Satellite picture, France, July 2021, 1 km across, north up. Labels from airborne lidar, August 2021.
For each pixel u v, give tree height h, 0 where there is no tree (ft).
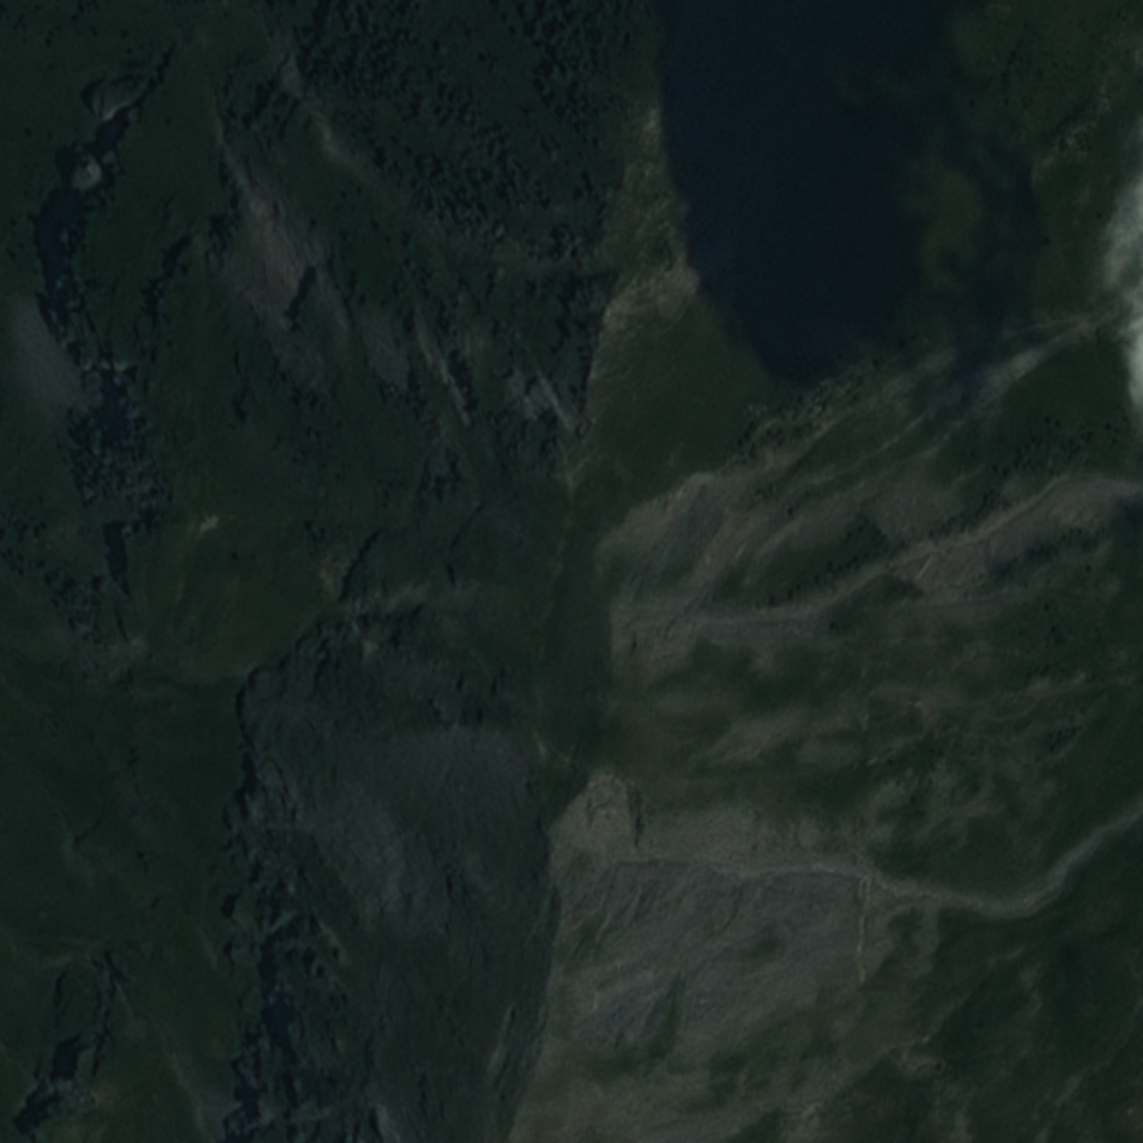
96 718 0
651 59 0
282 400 0
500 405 0
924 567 0
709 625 0
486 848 0
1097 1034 0
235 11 0
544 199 22
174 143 0
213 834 0
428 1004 0
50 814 0
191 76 0
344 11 26
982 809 0
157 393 0
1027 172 0
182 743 0
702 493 0
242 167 0
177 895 0
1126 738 0
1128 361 0
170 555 0
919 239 0
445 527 0
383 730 0
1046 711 0
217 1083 0
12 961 0
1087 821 0
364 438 0
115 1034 0
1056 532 0
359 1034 0
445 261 0
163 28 0
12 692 0
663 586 0
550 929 0
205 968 0
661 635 0
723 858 0
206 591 0
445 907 0
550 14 37
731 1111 0
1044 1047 0
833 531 0
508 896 0
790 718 0
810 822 0
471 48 0
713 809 0
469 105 24
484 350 0
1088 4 0
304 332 0
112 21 0
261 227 0
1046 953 0
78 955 0
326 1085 0
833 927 0
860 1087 0
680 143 0
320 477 0
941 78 0
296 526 0
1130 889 0
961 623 0
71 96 0
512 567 0
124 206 0
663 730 0
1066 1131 0
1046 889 0
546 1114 0
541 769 0
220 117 0
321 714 0
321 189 0
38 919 0
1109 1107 0
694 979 0
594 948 0
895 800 0
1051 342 0
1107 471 0
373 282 0
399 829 0
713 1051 0
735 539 0
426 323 0
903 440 0
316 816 0
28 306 0
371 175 0
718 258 0
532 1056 0
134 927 0
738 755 0
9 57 0
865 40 0
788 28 0
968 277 0
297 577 0
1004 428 0
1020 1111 0
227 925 0
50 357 0
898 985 0
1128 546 0
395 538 0
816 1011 0
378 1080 0
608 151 0
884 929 0
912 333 0
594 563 0
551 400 0
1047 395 0
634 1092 0
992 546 0
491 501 0
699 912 0
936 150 0
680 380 0
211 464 0
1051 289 0
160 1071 0
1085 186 0
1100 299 0
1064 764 0
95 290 25
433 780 0
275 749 0
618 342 0
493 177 45
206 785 0
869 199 0
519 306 0
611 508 0
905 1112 0
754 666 0
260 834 0
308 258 0
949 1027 0
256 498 0
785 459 0
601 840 0
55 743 0
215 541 0
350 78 32
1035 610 0
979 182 0
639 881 0
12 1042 0
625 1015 0
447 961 0
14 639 0
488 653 0
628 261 0
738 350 0
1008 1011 0
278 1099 0
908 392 0
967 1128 0
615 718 0
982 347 0
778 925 0
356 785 0
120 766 0
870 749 0
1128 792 0
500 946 0
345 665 0
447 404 0
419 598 0
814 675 0
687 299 0
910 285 0
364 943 0
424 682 0
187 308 0
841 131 0
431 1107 0
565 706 0
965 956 0
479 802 0
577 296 28
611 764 0
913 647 0
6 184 0
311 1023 0
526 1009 0
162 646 0
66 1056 19
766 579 0
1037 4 0
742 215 27
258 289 0
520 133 0
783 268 0
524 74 0
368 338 0
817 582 23
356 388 0
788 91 0
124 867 0
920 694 0
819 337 0
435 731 0
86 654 0
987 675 0
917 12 0
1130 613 0
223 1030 0
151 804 0
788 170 0
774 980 0
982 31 0
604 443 0
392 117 0
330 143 0
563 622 0
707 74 0
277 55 0
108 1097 0
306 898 0
